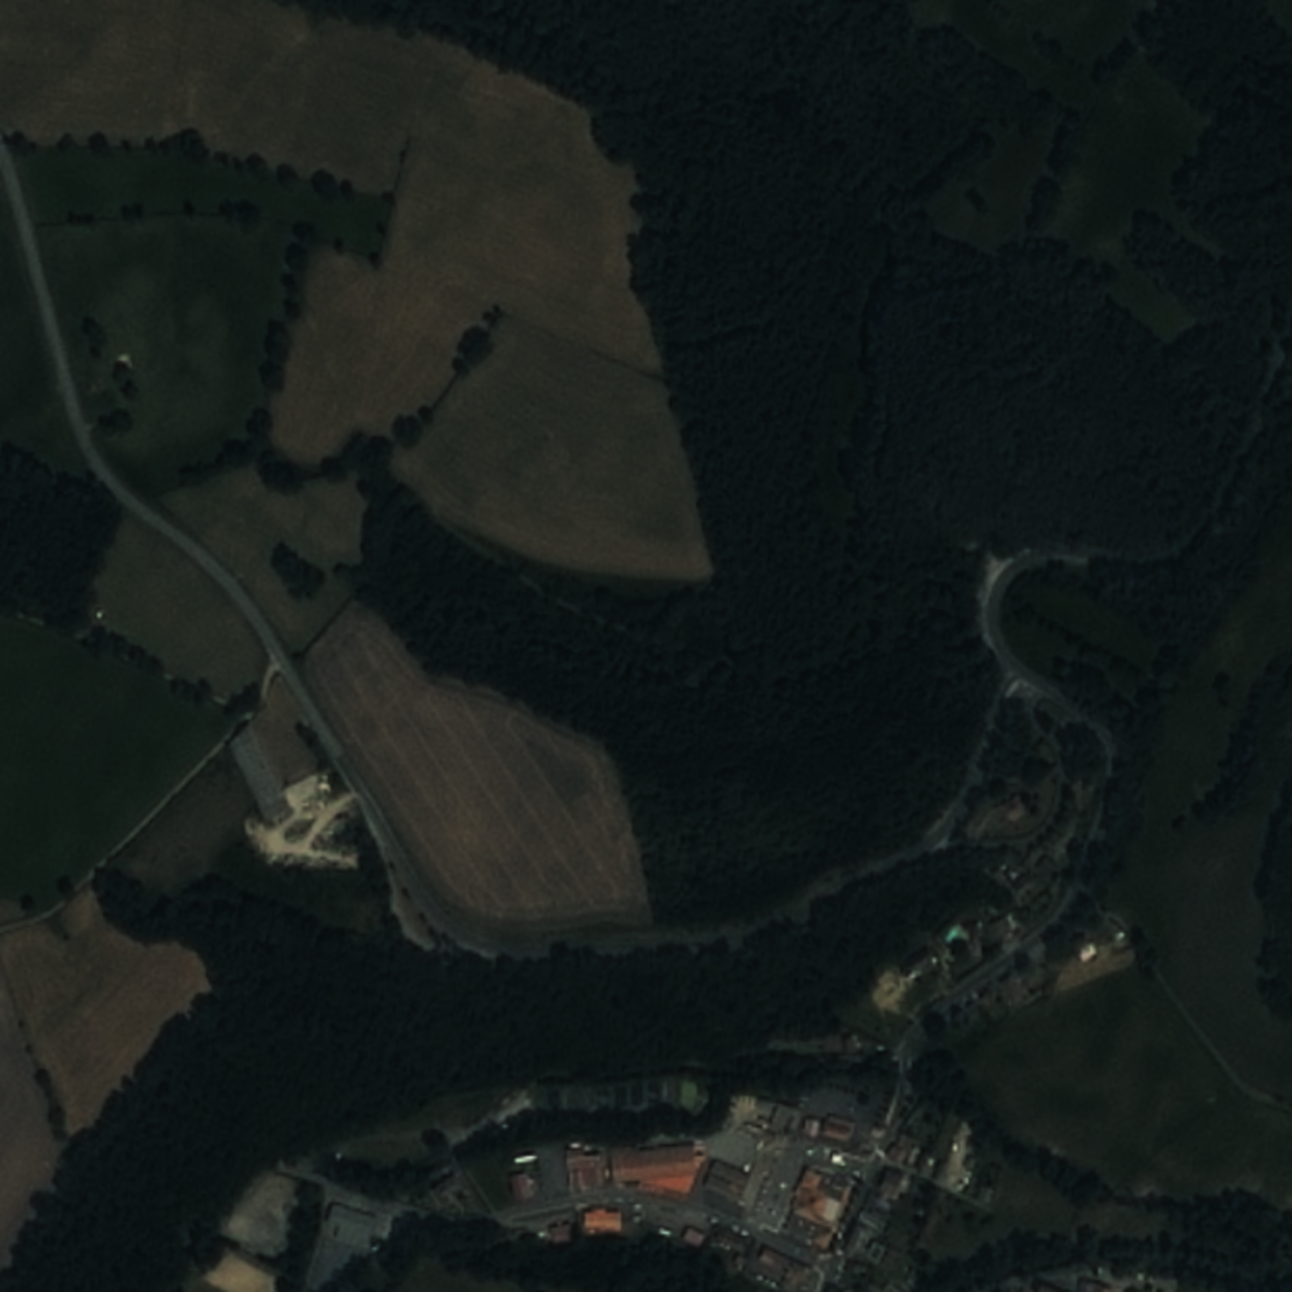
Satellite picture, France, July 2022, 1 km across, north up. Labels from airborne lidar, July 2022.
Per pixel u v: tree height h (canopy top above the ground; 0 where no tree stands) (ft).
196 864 0
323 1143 35
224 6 0
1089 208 0
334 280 0
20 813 0
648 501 0
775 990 63
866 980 79
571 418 0
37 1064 0
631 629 48
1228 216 60
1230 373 77
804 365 71
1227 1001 0
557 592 24
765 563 61
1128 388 73
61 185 0
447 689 0
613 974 52
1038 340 67
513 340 0
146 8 0
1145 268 70
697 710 50
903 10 39
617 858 0
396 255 0
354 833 18
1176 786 0
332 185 67
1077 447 76
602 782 0
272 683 0
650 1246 40
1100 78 46
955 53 61
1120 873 70
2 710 0
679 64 57
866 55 27
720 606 34
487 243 0
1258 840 0
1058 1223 0
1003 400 47
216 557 0
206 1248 63
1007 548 66
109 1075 0
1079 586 22
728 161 64
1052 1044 0
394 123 0
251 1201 0
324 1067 46
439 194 0
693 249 65
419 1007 40
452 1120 0
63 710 0
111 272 0
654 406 0
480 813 0
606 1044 50
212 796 0
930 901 37
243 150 0
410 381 0
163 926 53
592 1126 52
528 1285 49
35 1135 0
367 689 0
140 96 0
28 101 0
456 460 0
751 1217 0
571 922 0
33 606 20
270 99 0
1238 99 25
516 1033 63
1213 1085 0
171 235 0
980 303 85
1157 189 0
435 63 0
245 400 0
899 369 99
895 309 100
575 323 0
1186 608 86
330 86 0
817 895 0
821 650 87
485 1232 47
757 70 55
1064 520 66
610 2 65
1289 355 65
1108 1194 57
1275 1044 0
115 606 0
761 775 46
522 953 0
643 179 38
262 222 59
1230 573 92
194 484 24
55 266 0
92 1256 78
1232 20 90
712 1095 48
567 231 0
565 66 90
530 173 0
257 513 0
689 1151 0
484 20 61
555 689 51
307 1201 27
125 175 0
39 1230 60
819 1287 0
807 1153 0
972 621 51
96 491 73
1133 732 50
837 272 74
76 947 0
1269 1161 0
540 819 0
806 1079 65
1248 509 85
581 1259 31
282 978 94
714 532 44
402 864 0
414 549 24
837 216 65
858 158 86
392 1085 66
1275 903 61
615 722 39
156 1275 93
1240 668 0
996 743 69
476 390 0
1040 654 0
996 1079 0
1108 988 0
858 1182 26
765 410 62
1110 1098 0
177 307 0
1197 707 0
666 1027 43
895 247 61
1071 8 0
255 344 0
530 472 0
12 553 39
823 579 58
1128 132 0
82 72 0
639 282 45
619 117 54
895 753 26
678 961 46
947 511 45
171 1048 60
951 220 0
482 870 0
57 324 0
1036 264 73
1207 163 68
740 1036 54
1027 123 62
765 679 46
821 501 56
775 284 63
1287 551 0
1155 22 72
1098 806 24
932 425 61
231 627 0
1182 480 68
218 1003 56
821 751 40
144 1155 60
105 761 0
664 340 22
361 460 44
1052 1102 0
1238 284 108
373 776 0
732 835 23
